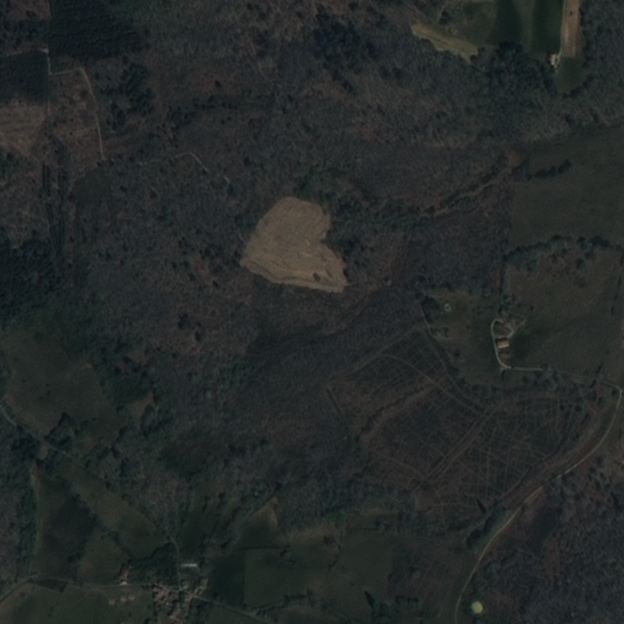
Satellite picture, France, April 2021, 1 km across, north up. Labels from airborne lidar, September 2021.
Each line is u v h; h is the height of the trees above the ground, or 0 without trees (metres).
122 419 10
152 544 0
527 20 0
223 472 8
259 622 0
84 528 0
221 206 11
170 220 17
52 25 9
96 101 11
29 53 7
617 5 23
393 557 0
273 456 16
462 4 0
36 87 8
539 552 0
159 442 21
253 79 8
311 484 24
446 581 0
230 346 8
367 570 0
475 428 0
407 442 0
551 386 19
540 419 0
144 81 12
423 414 0
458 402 0
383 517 0
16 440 17
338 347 8
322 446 12
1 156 14
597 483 10
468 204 16
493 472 0
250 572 0
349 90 21
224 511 15
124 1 17
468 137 26
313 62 16
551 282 0
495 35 0
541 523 0
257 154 15
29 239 6
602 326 0
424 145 14
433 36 0
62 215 9
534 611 23
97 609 0
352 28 10
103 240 12
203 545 14
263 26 14
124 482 11
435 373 0
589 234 0
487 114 26
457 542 0
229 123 10
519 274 9
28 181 7
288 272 0
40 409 0
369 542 0
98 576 0
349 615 0
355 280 6
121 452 18
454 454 0
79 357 14
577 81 0
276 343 6
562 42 0
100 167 12
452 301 0
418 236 14
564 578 7
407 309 9
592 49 18
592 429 0
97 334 12
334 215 8
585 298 0
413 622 0
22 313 12
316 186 10
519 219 0
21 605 0
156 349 9
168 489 15
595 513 9
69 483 13
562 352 0
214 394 10
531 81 28
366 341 6
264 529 0
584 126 22
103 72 9
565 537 8
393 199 8
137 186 9
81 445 0
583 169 0
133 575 7
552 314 0
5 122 0
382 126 22
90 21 9
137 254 11
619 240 0
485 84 23
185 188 10
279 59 8
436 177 8
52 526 0
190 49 17
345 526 18
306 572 0
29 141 0
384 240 6
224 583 0
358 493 17
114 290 11
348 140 7
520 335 0
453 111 19
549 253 18
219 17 16
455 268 9
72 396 0
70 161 6
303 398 6
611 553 13
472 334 0
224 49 16
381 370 0
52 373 0
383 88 19
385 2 32
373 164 10
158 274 13
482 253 8
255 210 8
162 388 12
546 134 19
